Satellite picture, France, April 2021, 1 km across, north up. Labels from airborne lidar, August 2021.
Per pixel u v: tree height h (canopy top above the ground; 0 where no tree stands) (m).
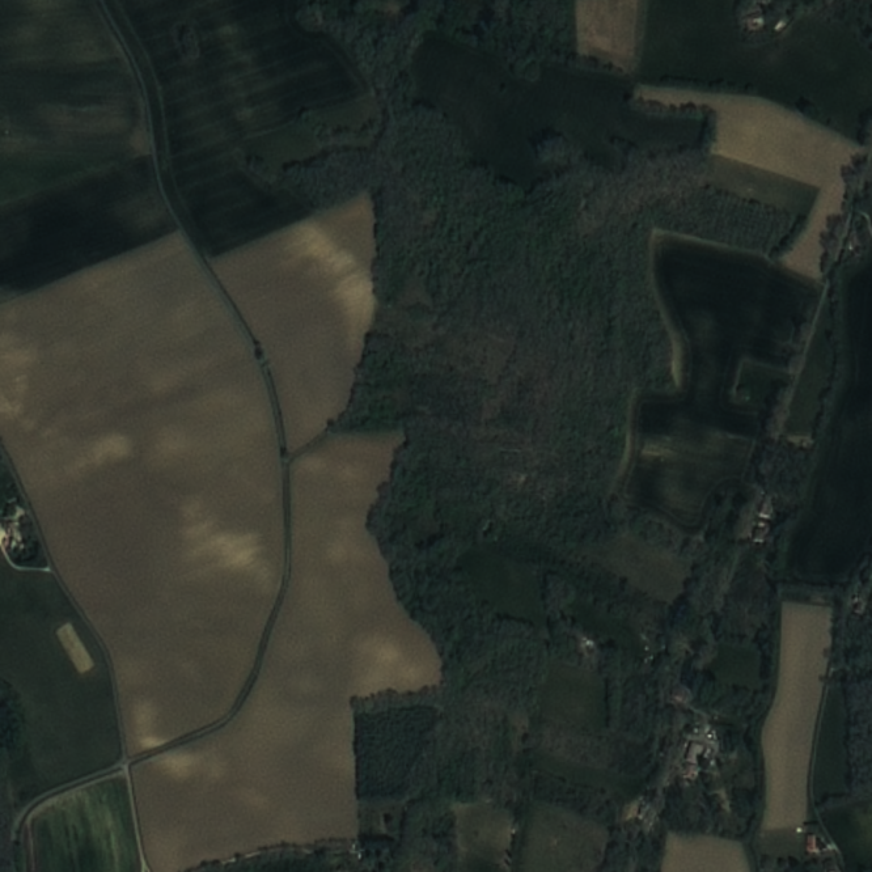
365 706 10
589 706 0
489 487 18
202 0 0
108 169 0
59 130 0
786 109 0
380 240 11
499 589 0
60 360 0
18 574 0
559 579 19
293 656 0
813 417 0
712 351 0
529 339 14
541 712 8
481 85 0
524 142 0
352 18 19
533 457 11
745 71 0
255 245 0
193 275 0
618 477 17
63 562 0
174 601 0
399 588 13
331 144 13
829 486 0
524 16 18
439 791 18
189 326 0
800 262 0
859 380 0
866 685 22
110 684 0
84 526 0
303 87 0
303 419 0
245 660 0
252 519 0
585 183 13
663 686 16
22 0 0
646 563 0
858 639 16
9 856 17
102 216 0
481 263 13
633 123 0
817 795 0
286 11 0
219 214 0
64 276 0
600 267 19
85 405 0
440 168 14
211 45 0
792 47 0
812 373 0
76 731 0
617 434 11
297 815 0
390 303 8
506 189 19
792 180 0
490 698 19
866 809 0
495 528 8
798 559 0
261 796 0
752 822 11
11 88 0
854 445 0
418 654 0
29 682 0
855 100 0
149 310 0
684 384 0
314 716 0
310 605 0
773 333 0
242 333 0
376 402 7
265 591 0
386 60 21
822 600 0
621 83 0
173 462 0
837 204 0
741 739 9
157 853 0
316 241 0
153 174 0
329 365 0
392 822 18
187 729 0
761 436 0
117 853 0
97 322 0
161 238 0
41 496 0
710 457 0
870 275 0
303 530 0
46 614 0
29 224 0
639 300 13
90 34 0
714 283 0
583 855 0
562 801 9
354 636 0
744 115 0
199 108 0
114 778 0
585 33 0
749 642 14
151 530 0
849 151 0
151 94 0
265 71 0
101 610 0
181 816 0
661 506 0
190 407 0
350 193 18
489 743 16
